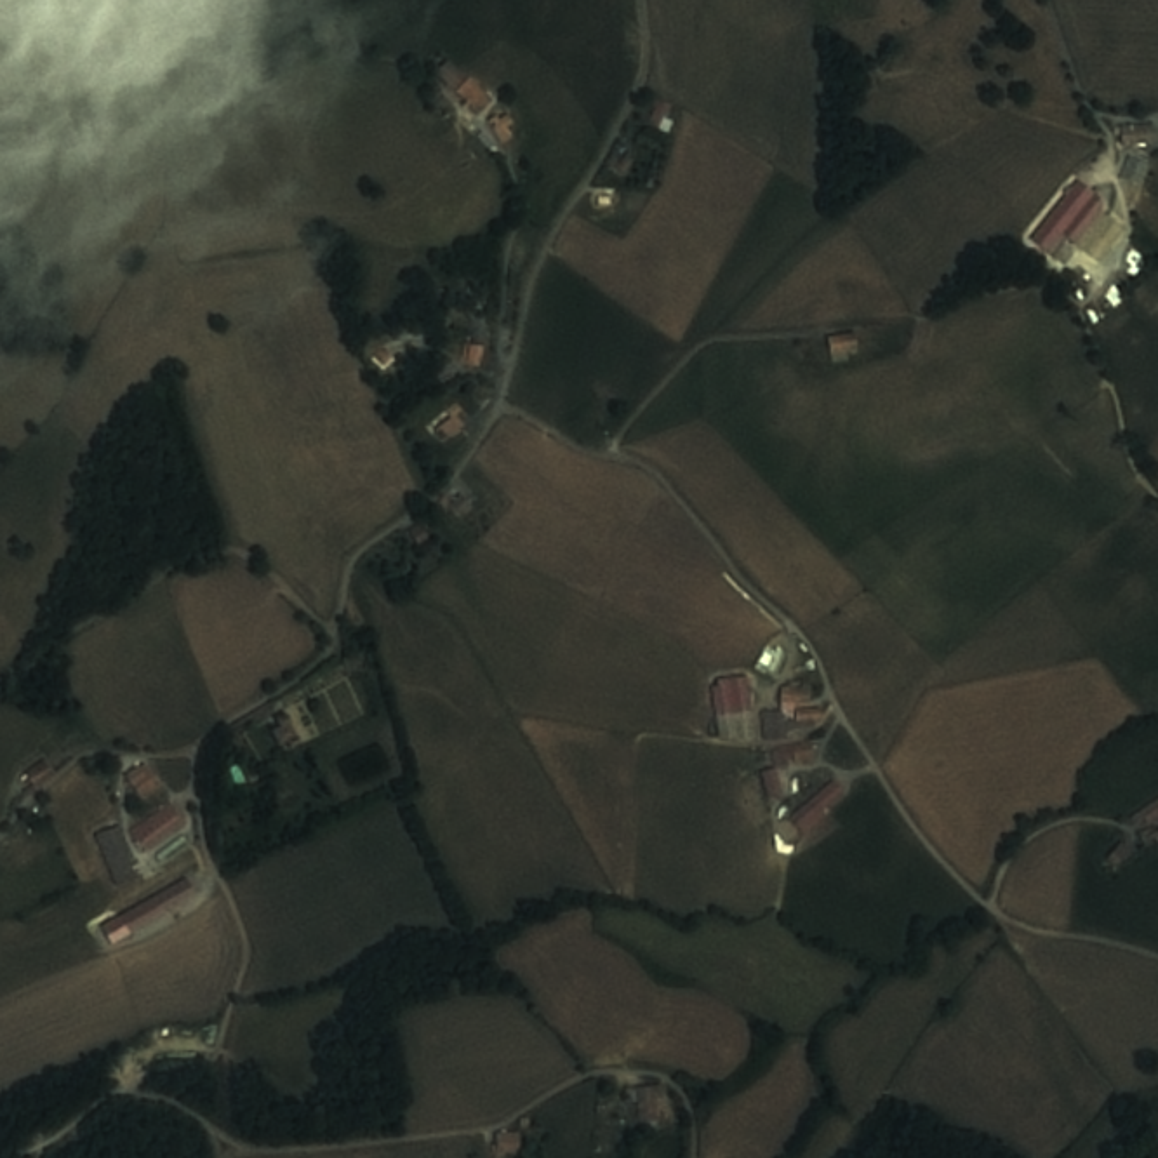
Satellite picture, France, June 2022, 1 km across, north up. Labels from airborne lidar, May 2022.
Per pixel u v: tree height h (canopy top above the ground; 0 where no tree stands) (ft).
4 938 0
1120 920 0
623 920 0
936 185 0
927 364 0
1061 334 0
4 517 0
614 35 0
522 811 0
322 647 24
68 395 0
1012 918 0
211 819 31
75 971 0
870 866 0
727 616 0
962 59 0
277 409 0
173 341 0
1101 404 0
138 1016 0
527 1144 43
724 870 0
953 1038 0
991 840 0
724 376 0
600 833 0
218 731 46
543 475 0
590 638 0
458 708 0
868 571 0
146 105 0
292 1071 0
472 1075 0
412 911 0
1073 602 0
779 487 0
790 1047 0
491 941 44
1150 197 0
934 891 0
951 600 0
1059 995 0
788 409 0
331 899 0
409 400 71
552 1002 0
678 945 0
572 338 0
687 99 0
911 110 0
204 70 0
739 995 0
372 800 27
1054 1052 0
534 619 0
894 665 0
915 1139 89
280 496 0
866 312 0
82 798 0
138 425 67
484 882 0
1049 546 0
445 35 0
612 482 0
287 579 0
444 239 0
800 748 0
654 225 0
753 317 0
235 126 0
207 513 50
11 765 0
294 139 0
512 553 0
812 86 0
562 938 0
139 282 0
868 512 0
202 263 0
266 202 0
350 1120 70
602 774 0
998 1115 0
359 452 0
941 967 0
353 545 0
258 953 0
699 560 0
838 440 0
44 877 0
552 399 0
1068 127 0
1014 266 77
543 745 0
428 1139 0
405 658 0
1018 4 0
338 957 0
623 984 0
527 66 0
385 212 0
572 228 0
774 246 0
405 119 0
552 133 0
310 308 0
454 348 0
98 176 0
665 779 0
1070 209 0
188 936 0
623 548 0
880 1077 0
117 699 0
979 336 0
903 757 0
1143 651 0
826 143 59
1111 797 0
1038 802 0
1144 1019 0
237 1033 0
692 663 0
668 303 0
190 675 0
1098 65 0
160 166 0
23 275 79
